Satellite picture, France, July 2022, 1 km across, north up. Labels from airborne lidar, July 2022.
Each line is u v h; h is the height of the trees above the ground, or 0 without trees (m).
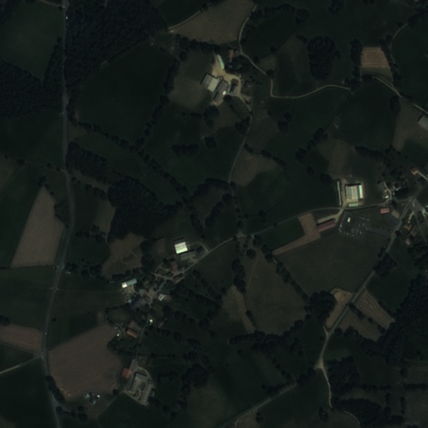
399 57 0
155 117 18
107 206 0
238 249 9
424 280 19
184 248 0
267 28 0
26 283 0
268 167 0
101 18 8
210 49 18
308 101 0
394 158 7
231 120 0
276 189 0
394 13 0
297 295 0
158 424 0
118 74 0
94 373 0
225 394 0
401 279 0
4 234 0
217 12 0
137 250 0
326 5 0
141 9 24
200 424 0
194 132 0
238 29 0
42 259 0
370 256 0
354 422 0
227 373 0
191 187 0
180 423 0
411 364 0
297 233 0
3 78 19
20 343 0
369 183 0
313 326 0
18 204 0
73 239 0
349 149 0
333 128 0
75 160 26
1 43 0
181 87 0
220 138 0
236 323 0
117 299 0
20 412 0
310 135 0
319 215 0
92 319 0
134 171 0
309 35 0
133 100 0
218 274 0
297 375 0
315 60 21
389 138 0
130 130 0
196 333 0
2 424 0
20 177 0
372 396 0
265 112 0
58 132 0
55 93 15
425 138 0
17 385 0
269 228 0
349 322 0
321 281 0
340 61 0
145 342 0
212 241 0
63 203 0
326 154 0
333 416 0
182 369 0
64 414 9
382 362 0
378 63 0
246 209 0
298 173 0
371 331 0
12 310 0
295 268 0
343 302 0
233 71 14
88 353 0
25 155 0
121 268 0
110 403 0
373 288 0
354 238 0
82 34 24
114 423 0
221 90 0
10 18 15
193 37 0
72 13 25
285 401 0
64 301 0
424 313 6
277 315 0
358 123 0
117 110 0
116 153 0
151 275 7
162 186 0
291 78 0
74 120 18
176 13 0
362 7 0
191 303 0
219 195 0
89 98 0
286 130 20
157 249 0
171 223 0
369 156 12
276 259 7
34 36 0
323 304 26
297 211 0
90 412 0
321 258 0
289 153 0
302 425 0
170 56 0
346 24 0
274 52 18
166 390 0
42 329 0
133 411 0
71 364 0
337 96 0
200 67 0
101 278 18
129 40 20
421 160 0
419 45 0
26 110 20
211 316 18
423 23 0
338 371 18
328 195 0
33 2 18
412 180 0
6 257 0
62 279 0
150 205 30
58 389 12
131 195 26
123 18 13
